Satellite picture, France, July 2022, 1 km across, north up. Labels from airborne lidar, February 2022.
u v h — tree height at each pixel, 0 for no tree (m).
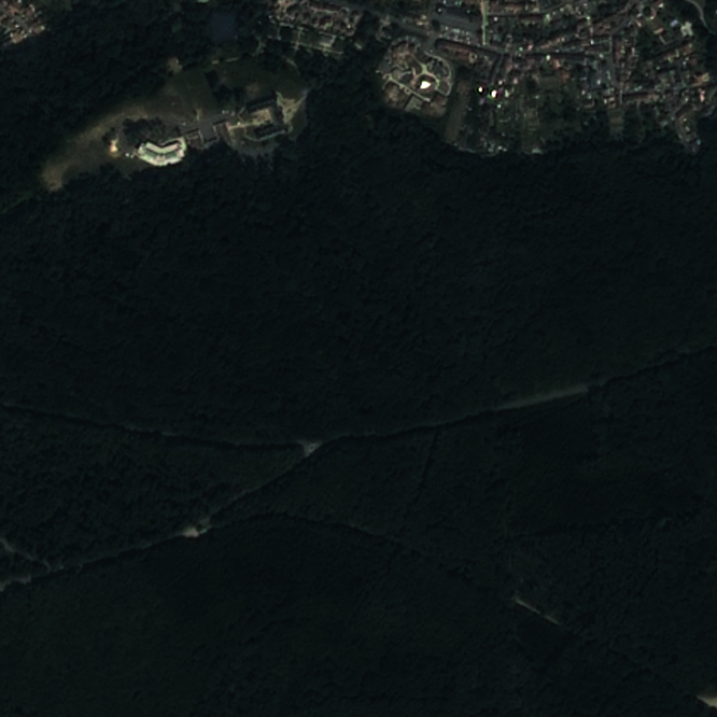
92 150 0
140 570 24
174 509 24
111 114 0
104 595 23
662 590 26
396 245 27
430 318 29
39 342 27
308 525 12
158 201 29
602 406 26
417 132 20
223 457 24
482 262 20
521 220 27
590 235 15
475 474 21
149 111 0
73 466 24
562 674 26
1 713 27
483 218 24
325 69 9
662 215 21
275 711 19
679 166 15
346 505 23
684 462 26
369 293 16
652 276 20
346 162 20
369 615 18
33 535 23
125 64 24
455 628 23
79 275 28
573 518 6
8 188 16
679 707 24
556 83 0
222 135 0
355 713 25
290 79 0
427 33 0
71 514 23
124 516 19
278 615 19
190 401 25
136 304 15
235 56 0
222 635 20
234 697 23
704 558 28
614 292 23
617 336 21
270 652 25
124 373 26
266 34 20
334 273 28
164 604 21
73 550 23
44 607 17
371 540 13
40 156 21
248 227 32
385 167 23
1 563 20
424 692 19
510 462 7
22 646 18
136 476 23
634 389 19
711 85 7
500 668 25
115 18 28
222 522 17
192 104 0
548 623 7
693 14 14
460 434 20
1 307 32
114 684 25
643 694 26
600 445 26
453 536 28
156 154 0
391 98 0
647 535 29
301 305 28
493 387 20
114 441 21
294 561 15
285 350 18
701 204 22
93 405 23
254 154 0
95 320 27
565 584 27
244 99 19
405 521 19
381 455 24
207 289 29
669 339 19
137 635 22
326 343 25
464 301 21
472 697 25
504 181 19
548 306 25
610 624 27
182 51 13
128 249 20
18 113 25
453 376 23
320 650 20
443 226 21
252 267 30
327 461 24
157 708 25
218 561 19
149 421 27
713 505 26
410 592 20
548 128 0
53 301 27
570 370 21
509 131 0
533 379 21
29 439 23
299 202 21
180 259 29
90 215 17
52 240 27
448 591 26
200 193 32
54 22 7
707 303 25
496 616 26
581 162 23
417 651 25
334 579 16
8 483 24
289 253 35
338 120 20
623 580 27
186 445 23
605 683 25
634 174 25
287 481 22
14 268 33
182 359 26
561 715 22
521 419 7
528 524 9
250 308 23
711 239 27
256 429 24
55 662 19
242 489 13
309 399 24
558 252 22
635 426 27
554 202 16
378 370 25
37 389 25
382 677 19
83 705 25
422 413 27
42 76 25
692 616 27
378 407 25
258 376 18
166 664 24
